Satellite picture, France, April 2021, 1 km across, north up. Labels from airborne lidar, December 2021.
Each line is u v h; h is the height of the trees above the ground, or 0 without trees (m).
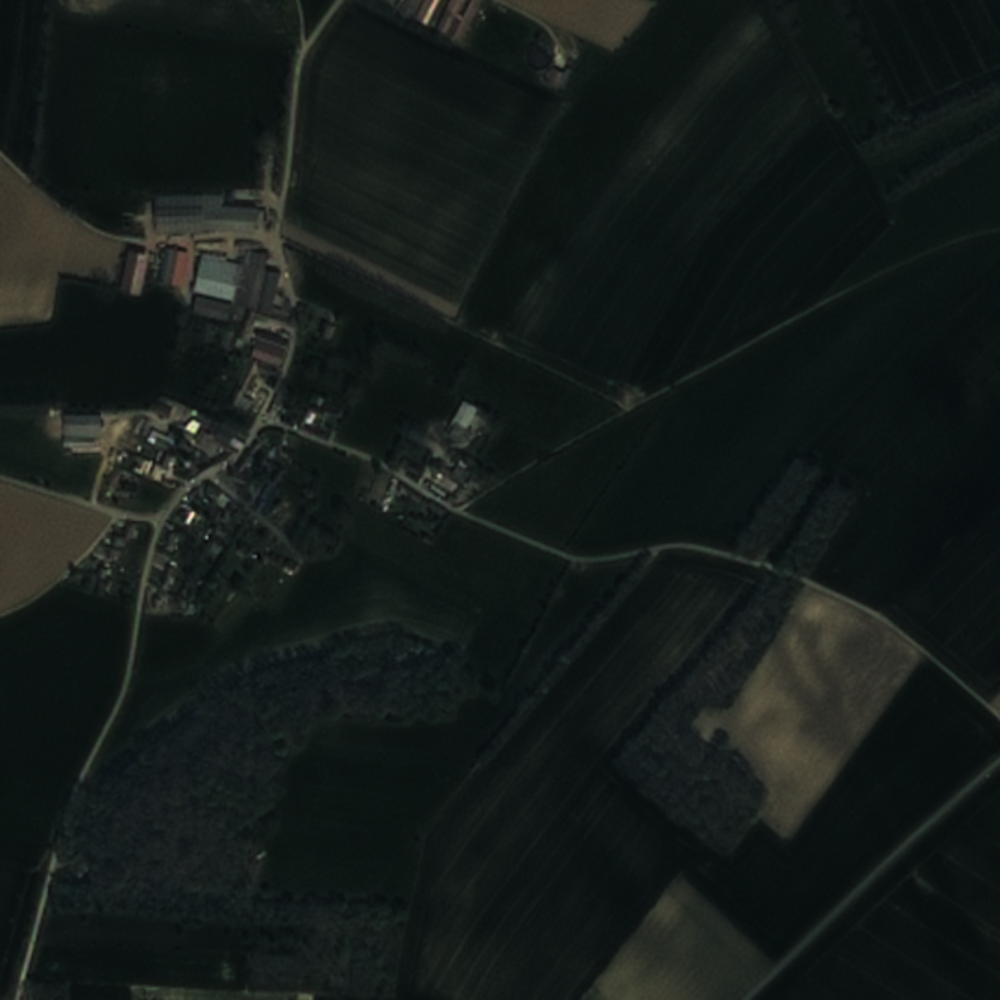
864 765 0
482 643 0
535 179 0
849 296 0
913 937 0
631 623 0
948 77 0
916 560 0
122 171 0
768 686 0
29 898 0
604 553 0
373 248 0
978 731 0
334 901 14
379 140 0
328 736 0
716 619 0
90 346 0
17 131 0
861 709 0
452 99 0
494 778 0
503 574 0
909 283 0
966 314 0
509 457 0
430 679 23
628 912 0
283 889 0
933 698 0
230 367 11
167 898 12
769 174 0
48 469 0
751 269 0
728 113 0
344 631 0
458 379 11
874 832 0
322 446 0
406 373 0
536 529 0
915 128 9
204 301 0
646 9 0
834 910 0
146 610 0
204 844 14
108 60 0
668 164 0
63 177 0
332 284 0
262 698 23
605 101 0
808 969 0
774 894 0
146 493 0
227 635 0
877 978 0
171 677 0
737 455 0
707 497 0
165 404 0
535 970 0
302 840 0
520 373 0
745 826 13
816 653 0
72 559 0
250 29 0
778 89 0
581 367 0
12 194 0
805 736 0
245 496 14
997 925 0
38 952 0
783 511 13
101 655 0
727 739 15
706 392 0
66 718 0
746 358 0
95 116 0
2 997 0
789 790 0
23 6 0
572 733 0
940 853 0
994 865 0
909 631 0
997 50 0
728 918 0
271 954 10
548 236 0
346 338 0
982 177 0
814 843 0
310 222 0
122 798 15
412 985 0
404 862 0
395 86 0
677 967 0
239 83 0
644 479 0
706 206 0
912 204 0
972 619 0
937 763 0
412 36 0
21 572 0
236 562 0
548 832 0
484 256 0
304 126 0
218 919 9
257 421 0
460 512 0
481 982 0
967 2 0
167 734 19
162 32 0
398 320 0
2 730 0
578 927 0
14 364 0
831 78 0
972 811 0
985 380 0
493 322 0
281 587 0
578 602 0
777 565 15
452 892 0
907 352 0
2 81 0
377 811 0
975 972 0
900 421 0
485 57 0
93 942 0
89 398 0
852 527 0
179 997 0
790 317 0
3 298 0
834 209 0
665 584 0
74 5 0
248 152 0
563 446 0
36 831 0
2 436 0
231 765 19
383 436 0
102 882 14
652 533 0
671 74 0
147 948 0
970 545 0
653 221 0
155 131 0
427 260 0
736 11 0
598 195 0
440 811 0
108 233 0
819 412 0
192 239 0
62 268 0
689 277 0
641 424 0
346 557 0
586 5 0
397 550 0
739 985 0
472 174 0
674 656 0
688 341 0
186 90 0
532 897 0
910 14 0
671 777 18
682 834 0
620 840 0
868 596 0
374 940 12
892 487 0
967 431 0
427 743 0
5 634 0
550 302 0
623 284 0
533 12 0
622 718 0
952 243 0
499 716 0
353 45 0
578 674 0
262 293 0
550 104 0
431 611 0
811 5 0
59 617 0
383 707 18
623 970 0
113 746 0
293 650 0
